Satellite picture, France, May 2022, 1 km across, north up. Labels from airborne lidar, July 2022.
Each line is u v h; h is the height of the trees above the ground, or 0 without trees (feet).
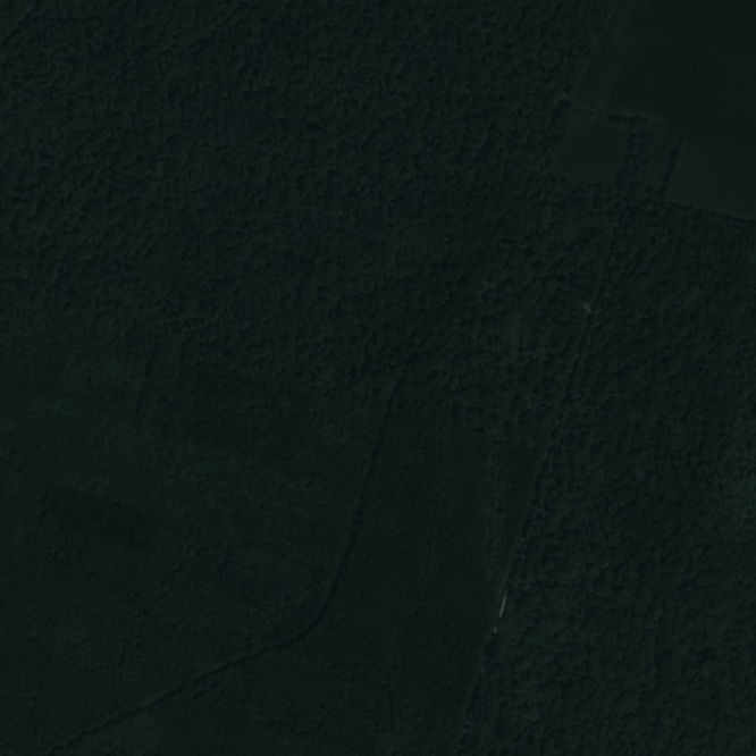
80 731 43
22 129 58
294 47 83
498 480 28
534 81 85
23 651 54
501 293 60
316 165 84
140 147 61
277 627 58
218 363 56
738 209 0
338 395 41
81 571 63
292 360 69
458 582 38
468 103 69
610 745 77
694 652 43
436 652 39
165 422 65
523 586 38
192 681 36
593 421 83
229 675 49
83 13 51
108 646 41
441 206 67
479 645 45
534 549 78
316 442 46
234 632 54
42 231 68
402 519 50
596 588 92
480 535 28
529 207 78
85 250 91
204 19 83
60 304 57
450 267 75
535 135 78
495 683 45
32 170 31
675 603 66
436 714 47
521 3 35
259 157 93
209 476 49
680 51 0
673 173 42
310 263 60
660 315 78
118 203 30
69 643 45
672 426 90
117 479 44
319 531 46
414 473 45
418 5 56
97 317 47
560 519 79
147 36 82
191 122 56
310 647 52
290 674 38
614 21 0
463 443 40
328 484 38
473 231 69
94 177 56
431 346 41
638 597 83
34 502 46
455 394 79
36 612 50
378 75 89
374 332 33
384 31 74
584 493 78
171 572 30
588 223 74
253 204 72
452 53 83
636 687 79
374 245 103
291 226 85
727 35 0
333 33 78
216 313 85
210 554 53
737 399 71
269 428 48
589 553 87
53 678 54
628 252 60
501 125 79
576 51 71
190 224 64
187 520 44
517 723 22
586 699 71
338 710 41
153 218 87
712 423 76
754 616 73
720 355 74
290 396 57
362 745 48
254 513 53
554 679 49
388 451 48
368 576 48
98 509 72
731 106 0
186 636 63
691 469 79
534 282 44
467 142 54
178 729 50
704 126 0
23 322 50
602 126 0
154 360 78
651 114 0
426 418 37
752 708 76
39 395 47
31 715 69
